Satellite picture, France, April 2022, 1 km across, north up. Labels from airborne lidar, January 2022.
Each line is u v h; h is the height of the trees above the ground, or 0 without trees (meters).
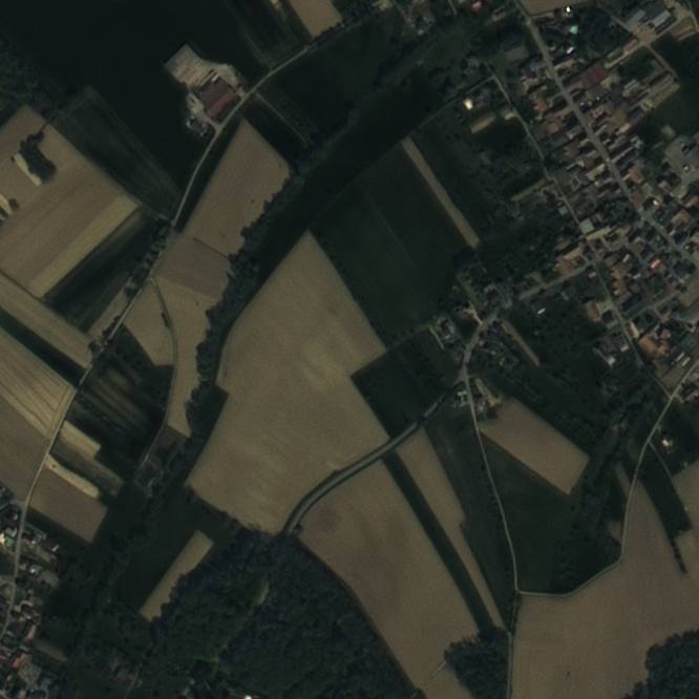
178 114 0
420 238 0
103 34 0
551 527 0
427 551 0
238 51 0
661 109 0
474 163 0
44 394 0
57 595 0
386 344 6
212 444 0
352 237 0
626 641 0
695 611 0
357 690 35
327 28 0
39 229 0
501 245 0
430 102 0
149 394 0
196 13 0
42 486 0
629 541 0
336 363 0
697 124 0
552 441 0
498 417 0
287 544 23
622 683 0
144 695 0
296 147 0
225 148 0
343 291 0
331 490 0
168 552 0
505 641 30
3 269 0
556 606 0
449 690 0
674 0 0
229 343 0
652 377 11
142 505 0
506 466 0
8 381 0
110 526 0
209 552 0
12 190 0
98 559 0
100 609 16
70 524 0
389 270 0
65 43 0
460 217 0
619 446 7
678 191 0
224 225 0
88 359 0
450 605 0
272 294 0
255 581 26
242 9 0
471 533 0
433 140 0
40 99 22
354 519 0
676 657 25
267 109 0
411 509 0
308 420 0
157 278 0
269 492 0
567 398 0
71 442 0
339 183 0
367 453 0
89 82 0
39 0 0
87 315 0
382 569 0
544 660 0
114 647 12
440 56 0
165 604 0
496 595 0
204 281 0
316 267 0
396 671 24
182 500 0
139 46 0
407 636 0
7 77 29
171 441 0
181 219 0
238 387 0
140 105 0
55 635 0
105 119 0
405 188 0
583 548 0
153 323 0
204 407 0
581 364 0
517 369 10
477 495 0
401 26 0
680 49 0
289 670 33
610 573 0
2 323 0
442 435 0
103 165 0
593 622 0
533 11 0
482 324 0
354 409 0
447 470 0
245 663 25
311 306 0
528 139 0
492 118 0
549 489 0
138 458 0
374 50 0
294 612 31
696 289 0
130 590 0
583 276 0
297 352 0
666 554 0
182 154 0
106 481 0
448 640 0
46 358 0
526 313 11
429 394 0
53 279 0
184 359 0
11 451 0
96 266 0
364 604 0
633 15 0
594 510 21
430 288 0
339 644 32
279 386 0
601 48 9
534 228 0
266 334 0
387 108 0
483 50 21
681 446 0
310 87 0
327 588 28
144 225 0
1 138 0
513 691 0
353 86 0
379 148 0
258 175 0
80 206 0
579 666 0
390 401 0
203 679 23
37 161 17
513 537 0
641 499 0
